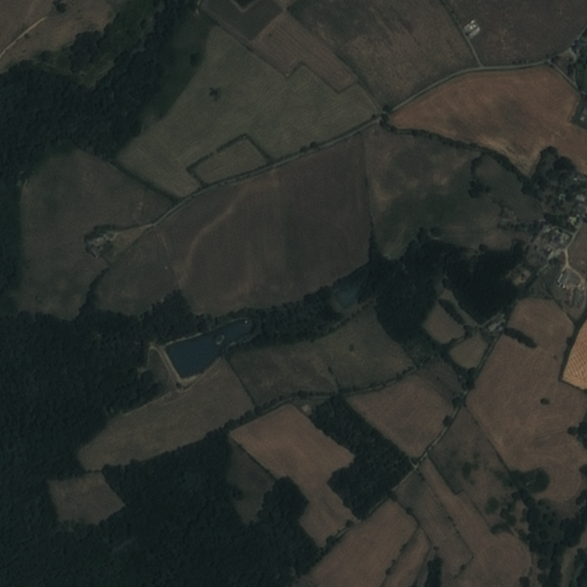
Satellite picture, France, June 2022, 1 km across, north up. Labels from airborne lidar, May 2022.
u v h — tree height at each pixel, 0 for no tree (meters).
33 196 0
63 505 0
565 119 0
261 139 0
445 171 0
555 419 0
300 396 11
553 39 0
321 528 0
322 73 0
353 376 0
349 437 10
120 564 13
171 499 26
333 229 0
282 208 0
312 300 22
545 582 14
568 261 0
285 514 12
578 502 10
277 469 0
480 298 14
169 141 0
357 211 0
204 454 18
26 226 0
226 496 14
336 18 0
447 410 0
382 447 12
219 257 0
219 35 0
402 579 0
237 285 0
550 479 0
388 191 0
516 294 14
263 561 15
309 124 0
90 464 0
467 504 0
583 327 0
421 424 0
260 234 0
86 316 13
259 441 0
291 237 0
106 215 0
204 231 0
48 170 0
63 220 0
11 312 0
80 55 20
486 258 12
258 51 0
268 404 8
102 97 18
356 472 8
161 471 15
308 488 0
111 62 0
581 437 6
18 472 13
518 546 0
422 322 14
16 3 0
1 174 9
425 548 0
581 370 0
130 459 0
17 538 13
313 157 0
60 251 0
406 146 0
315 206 0
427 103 0
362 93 0
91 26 0
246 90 0
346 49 0
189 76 0
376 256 20
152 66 13
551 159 0
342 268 0
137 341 16
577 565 7
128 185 0
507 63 0
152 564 29
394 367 0
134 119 19
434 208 0
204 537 18
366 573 0
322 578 0
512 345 0
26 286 0
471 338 14
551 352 0
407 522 0
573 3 0
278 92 0
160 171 0
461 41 0
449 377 0
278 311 18
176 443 0
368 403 0
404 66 0
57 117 13
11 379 11
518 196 0
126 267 0
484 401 0
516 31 0
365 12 0
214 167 0
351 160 0
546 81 0
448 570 0
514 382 0
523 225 8
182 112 0
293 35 0
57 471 12
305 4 0
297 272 0
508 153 0
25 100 21
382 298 14
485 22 0
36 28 0
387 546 0
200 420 0
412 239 0
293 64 0
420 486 0
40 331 14
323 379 0
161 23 20
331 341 0
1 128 24
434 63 0
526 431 0
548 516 11
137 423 0
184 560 22
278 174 0
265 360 0
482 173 0
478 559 0
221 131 0
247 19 0
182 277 0
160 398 0
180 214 0
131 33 11
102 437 0
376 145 0
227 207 0
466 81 0
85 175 0
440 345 15
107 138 15
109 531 23
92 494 0
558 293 0
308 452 0
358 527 0
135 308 0
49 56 16
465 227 0
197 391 0
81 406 22
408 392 0
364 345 0
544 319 0
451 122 0
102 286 0
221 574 17
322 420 14
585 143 0
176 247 0
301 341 12
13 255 6
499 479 0
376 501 9
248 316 8
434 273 12
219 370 0
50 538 11
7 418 14
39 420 16
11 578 10
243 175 8
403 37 0
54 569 16
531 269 7
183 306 19
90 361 18
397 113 0
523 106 0
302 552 10
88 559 17
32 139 12
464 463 0
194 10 10
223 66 0
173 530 12
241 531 12
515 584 0
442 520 0
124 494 14
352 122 0
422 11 0
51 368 13
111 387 22
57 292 0
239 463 0
